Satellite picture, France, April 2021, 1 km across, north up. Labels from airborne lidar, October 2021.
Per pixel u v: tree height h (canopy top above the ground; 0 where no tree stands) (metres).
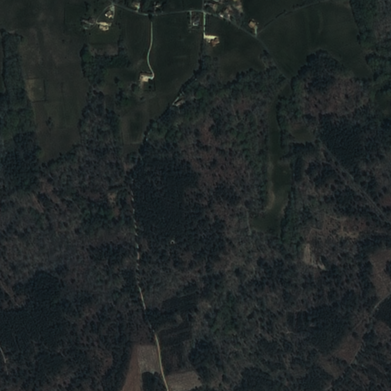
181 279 7
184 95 12
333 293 10
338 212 15
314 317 18
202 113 21
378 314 10
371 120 17
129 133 0
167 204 13
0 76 0
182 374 0
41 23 0
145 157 25
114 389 16
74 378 9
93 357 8
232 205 13
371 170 9
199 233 16
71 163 16
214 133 14
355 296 20
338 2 14
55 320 22
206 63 15
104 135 23
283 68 0
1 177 10
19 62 19
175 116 19
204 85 8
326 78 10
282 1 0
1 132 26
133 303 10
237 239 7
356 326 11
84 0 0
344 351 0
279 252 20
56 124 0
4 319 18
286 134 20
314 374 14
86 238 12
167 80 0
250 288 19
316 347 22
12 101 24
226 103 15
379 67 15
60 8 0
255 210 18
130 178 11
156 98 0
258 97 19
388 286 0
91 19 0
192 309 7
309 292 19
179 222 15
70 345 16
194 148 11
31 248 19
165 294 7
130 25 0
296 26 0
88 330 18
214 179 9
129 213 12
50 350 23
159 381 22
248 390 18
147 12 8
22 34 0
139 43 0
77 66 0
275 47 0
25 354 18
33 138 20
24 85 16
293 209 16
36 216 18
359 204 11
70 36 0
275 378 9
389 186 10
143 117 0
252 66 0
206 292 11
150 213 14
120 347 17
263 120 9
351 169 18
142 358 0
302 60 0
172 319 21
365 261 19
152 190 16
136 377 0
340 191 8
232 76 0
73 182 13
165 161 12
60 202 6
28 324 19
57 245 11
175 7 0
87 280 11
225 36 0
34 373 22
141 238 13
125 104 17
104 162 15
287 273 15
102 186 8
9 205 15
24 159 16
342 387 12
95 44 0
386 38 7
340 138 20
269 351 15
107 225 28
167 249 16
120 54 12
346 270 15
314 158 15
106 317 21
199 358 22
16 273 22
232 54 0
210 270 23
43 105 0
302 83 16
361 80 13
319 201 17
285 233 17
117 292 7
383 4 15
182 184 17
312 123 23
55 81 0
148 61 0
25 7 0
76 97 0
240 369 14
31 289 15
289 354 18
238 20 16
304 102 11
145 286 15
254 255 14
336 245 11
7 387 16
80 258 10
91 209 19
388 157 18
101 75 11
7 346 16
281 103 19
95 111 16
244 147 21
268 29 0
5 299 13
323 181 24
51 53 0
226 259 8
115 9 0
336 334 22
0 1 0
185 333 7
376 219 22
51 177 16
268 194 16
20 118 24
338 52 0
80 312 18
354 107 11
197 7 0
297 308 7
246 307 13
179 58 0
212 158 6
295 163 18
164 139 7
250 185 8
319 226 11
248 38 0
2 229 9
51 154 0
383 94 15
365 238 6
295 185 16
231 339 6
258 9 0
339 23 0
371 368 8
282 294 15
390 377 7
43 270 15
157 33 0
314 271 15
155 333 19
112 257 18
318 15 0
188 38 0
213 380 21
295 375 9
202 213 17
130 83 0
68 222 11
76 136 0
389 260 0
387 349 7
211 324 25
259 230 0
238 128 13
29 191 22
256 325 9
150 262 12
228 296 10
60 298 13
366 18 24
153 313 14
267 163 18
